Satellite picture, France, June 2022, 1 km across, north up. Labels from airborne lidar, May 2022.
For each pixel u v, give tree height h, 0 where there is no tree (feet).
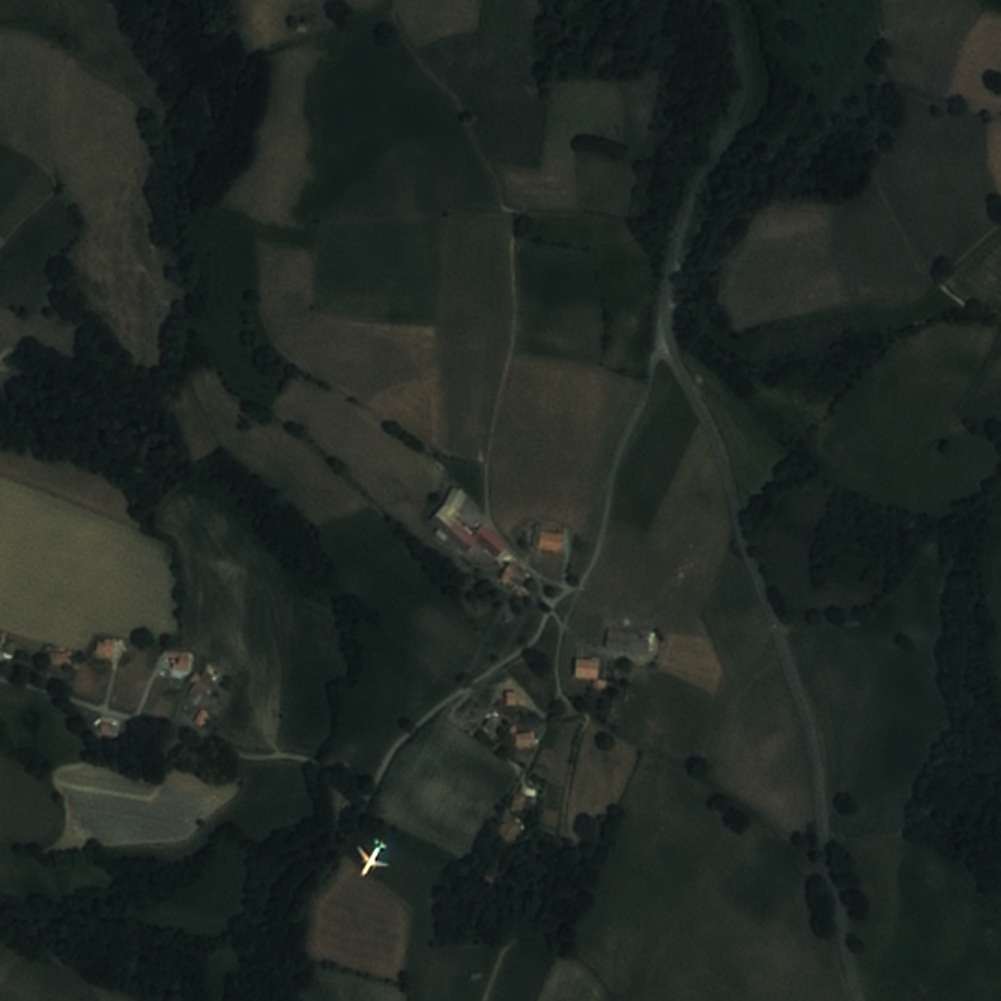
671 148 58
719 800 46
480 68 0
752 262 0
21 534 0
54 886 0
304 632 0
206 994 60
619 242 0
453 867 25
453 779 0
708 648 0
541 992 0
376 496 0
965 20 0
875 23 0
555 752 0
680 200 59
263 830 0
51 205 0
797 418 0
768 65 33
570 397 0
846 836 0
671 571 0
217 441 0
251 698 0
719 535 0
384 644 0
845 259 0
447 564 44
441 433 0
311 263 0
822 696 0
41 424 73
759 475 0
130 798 0
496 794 0
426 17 0
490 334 0
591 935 0
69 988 0
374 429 0
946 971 0
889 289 0
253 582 0
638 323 0
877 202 0
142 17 57
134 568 0
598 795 0
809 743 0
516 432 0
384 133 0
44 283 0
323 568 47
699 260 60
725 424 0
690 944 0
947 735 47
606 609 0
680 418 0
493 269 0
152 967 70
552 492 0
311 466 0
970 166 0
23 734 0
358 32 0
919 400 0
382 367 0
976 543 34
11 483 0
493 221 0
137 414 78
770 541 0
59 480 0
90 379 85
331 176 0
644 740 0
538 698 0
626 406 0
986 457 0
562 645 0
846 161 58
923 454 0
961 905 0
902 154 0
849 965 0
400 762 0
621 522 0
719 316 49
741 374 60
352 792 69
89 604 0
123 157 0
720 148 0
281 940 59
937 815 63
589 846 49
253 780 0
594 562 0
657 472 0
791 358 23
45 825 0
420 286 0
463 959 0
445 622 0
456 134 0
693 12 46
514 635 0
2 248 0
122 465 71
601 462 0
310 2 0
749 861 0
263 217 0
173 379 89
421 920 0
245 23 0
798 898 0
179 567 42
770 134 35
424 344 0
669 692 0
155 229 36
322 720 0
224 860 0
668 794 0
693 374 0
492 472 0
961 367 0
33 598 0
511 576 0
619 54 57
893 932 0
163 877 52
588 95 0
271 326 0
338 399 0
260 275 0
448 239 0
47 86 0
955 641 66
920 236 0
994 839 77
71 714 49
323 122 0
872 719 0
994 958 0
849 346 33
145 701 0
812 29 0
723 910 0
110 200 0
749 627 0
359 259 0
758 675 0
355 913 0
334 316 0
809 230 0
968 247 0
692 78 55
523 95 0
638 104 0
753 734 0
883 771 0
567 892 47
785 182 36
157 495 70
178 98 63
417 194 0
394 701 0
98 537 0
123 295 0
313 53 0
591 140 42
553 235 0
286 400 0
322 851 43
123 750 84
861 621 56
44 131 0
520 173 0
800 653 0
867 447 0
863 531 23
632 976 0
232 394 32
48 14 0
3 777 0
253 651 0
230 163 81
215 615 0
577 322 0
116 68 0
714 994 0
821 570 56
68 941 67
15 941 56
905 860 0
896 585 41
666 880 0
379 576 0
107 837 0
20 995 0
